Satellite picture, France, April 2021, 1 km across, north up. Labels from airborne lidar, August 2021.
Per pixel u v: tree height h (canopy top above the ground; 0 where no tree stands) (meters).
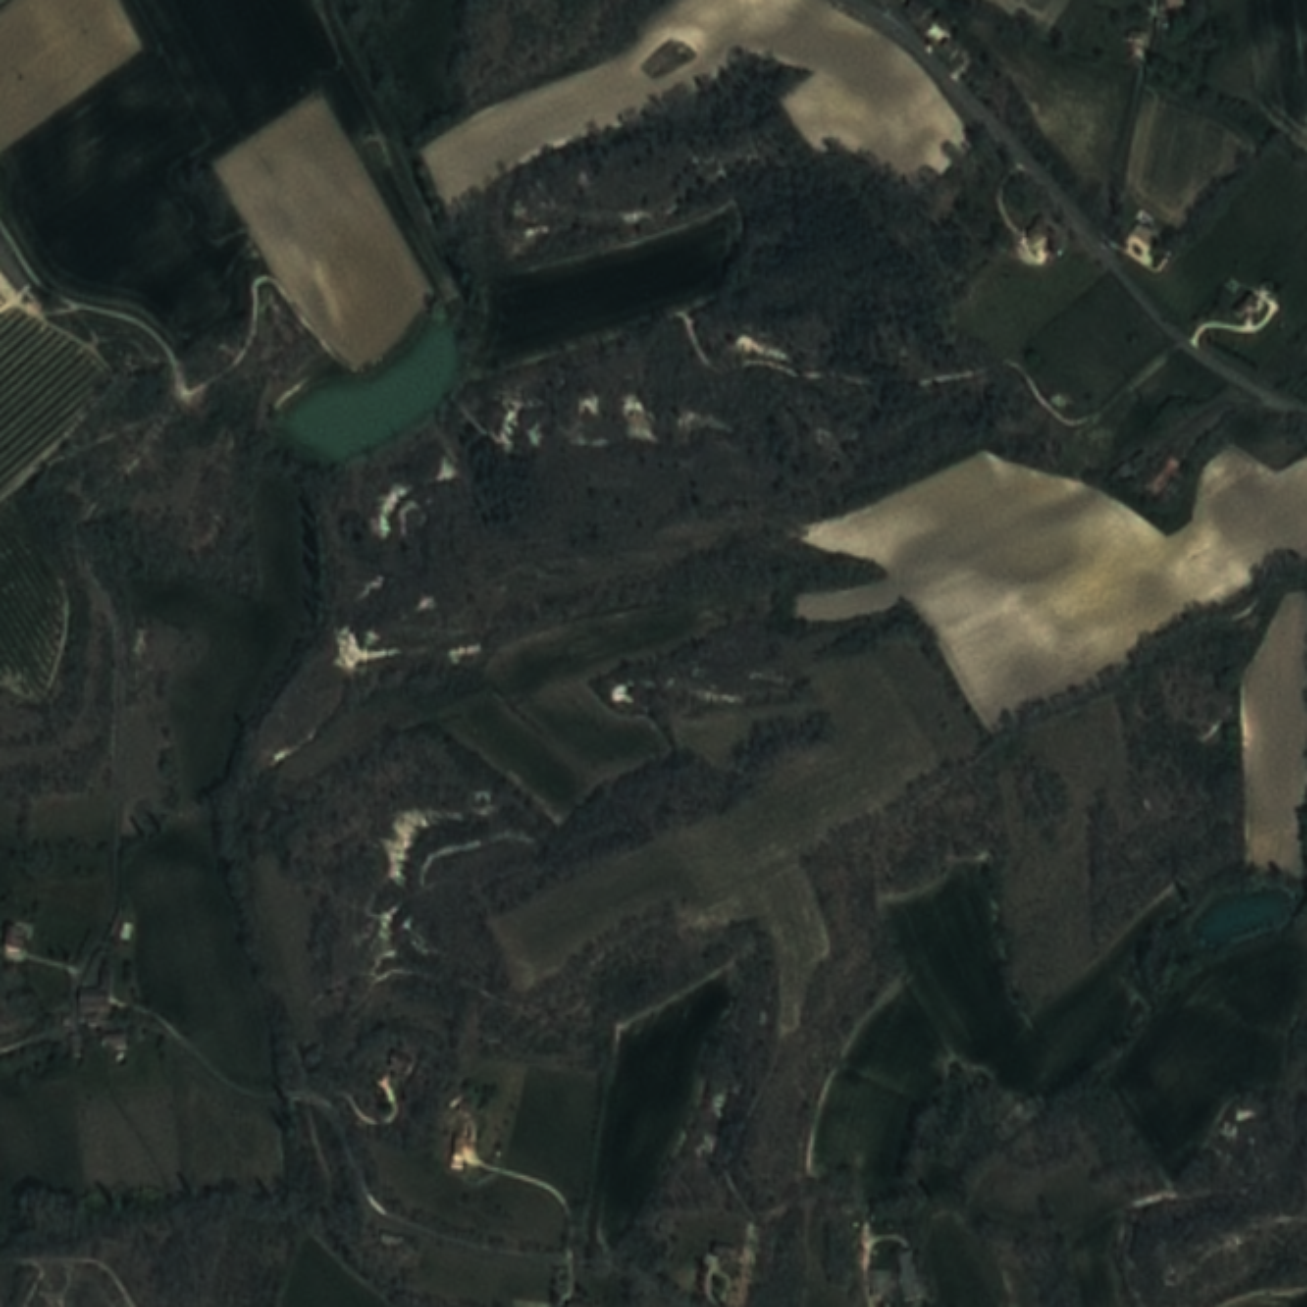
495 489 10
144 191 0
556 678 0
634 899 0
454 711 0
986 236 15
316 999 0
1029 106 10
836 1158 0
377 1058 11
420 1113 12
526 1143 0
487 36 12
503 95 16
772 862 0
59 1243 17
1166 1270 0
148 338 0
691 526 10
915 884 15
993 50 0
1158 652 17
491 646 14
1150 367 0
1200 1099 0
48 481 16
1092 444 0
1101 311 0
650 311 0
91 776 13
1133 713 11
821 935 0
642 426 0
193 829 0
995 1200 0
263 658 0
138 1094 0
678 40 0
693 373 16
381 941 0
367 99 0
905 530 0
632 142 7
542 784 0
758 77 10
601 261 0
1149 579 0
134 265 0
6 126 0
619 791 5
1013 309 0
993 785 18
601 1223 0
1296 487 0
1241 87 0
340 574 6
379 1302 0
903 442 7
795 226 16
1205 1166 17
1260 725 0
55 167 0
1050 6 0
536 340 0
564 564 0
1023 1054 0
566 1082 0
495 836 0
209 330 0
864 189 15
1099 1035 0
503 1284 0
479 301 32
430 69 0
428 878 0
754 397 10
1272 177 0
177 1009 0
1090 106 0
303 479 12
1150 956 19
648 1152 0
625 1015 15
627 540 0
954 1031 0
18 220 0
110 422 11
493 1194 0
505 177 12
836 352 11
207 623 0
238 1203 23
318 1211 7
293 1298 0
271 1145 0
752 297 18
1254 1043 0
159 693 9
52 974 0
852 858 11
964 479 0
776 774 10
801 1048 0
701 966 18
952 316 11
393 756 10
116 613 11
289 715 0
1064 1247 13
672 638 0
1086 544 0
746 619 6
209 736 0
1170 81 12
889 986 15
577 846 0
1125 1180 12
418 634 0
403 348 0
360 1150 14
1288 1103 10
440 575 0
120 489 14
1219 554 0
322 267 0
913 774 0
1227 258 0
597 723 0
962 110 0
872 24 0
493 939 11
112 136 0
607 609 11
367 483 6
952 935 0
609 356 14
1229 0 0
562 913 0
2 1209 0
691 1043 0
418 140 11
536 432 0
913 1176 16
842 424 12
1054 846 0
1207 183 0
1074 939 0
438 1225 12
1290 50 0
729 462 0
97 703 6
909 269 19
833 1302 0
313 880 13
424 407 0
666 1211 13
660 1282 14
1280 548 0
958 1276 0
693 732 0
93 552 19
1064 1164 11
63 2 0
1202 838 12
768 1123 0
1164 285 0
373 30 8
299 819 15
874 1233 0
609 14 13
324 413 0
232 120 0
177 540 17
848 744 0
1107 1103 11
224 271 0
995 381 16
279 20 0
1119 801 0
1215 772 6
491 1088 6
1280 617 0
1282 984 0
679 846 0
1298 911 7
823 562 9
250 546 11
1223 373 0
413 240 0
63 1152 0
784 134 17
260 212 0
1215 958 8
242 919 10
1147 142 0
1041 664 0
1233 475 0
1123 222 6
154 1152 0
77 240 0
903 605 9
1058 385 0
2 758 0
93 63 0
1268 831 0
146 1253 10
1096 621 0
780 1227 12
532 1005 9
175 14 0
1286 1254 7
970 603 0
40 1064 6
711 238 0
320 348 12
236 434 8
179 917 0
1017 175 15
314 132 0
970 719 11
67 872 0
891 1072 0
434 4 0
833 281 19
